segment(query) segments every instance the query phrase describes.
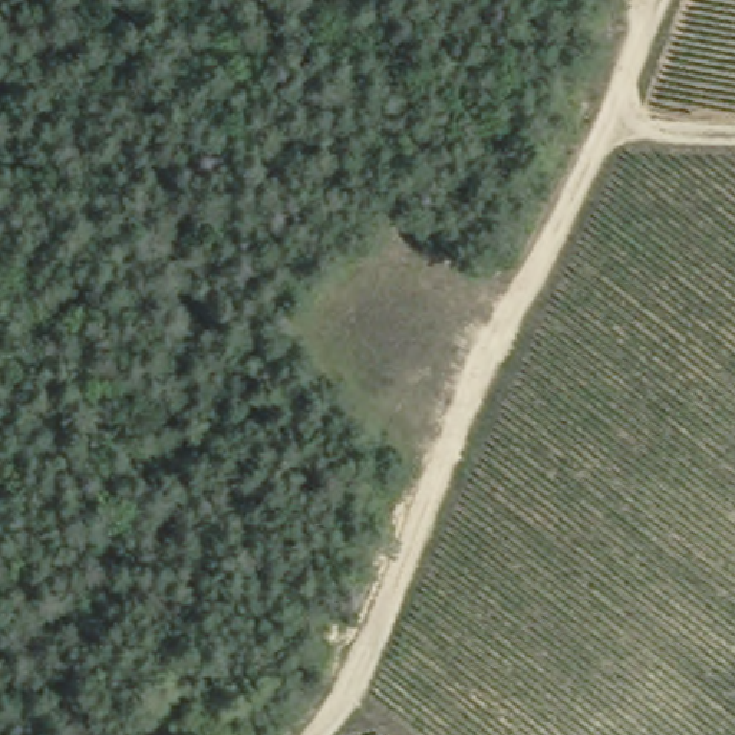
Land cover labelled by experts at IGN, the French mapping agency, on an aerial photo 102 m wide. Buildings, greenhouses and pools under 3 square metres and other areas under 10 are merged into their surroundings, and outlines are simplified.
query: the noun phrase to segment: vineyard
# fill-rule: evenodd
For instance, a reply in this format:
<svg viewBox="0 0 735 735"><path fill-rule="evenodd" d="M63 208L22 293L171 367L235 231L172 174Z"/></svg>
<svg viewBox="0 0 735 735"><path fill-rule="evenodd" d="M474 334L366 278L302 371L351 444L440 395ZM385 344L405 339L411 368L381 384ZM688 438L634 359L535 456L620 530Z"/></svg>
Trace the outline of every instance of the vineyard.
<svg viewBox="0 0 735 735"><path fill-rule="evenodd" d="M376 672L368 683L368 692L336 735L735 735L735 146L632 141L606 155L543 290L525 310L517 339L502 365L497 368L485 390L482 408L471 422L462 457L451 474L431 537L419 554L413 580L405 591L402 609L396 614L388 646L376 663Z"/></svg>
<svg viewBox="0 0 735 735"><path fill-rule="evenodd" d="M669 0L637 78L640 103L652 109L655 121L686 121L692 109L735 112L735 0Z"/></svg>

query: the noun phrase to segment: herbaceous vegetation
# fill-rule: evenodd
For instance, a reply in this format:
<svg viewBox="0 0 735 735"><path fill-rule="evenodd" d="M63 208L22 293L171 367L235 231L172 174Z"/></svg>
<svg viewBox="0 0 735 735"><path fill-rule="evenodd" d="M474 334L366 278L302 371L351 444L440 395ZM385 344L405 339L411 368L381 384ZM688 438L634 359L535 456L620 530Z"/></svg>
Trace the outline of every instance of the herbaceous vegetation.
<svg viewBox="0 0 735 735"><path fill-rule="evenodd" d="M468 278L459 270L454 270L451 261L431 261L428 256L413 253L402 241L402 235L396 235L373 258L362 261L350 278L339 276L336 287L316 299L316 307L310 313L310 345L304 347L304 353L313 356L316 368L322 368L322 376L330 379L330 390L345 393L339 408L353 419L353 445L359 451L390 445L402 454L402 459L413 459L422 468L422 459L439 436L442 419L454 402L457 373L462 370L465 356L474 347L474 333L491 319L500 296L508 290L514 276L508 270L497 270L491 276Z"/></svg>

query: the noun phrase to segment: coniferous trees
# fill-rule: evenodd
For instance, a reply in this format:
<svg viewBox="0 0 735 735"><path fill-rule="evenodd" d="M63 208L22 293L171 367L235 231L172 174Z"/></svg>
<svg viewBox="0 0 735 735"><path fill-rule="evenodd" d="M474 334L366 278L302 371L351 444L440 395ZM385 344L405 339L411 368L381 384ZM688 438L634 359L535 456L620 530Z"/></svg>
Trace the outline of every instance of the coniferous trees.
<svg viewBox="0 0 735 735"><path fill-rule="evenodd" d="M413 459L402 459L402 454L390 445L359 451L353 445L353 419L339 408L345 393L330 390L330 379L322 376L322 368L316 368L313 356L304 353L304 347L310 345L310 313L316 307L316 299L336 287L339 276L350 278L362 261L373 258L396 235L402 235L402 241L413 253L428 256L431 261L451 261L454 270L459 270L468 278L491 276L497 270L508 270L514 276L525 261L528 250L534 247L534 238L546 227L557 192L589 129L600 115L600 103L606 98L620 46L629 34L626 0L0 0L0 735L310 735L307 726L313 715L336 686L333 678L327 678L333 643L327 640L327 632L333 626L350 629L359 623L353 600L362 600L370 591L370 583L376 580L376 554L385 554L390 560L396 557L399 540L393 531L393 508L419 482L422 468ZM502 80L505 52L517 52L520 69L534 86L525 89L525 106L514 106L505 135L479 138L474 132L477 121L482 121L485 112L497 112L494 92Z"/></svg>

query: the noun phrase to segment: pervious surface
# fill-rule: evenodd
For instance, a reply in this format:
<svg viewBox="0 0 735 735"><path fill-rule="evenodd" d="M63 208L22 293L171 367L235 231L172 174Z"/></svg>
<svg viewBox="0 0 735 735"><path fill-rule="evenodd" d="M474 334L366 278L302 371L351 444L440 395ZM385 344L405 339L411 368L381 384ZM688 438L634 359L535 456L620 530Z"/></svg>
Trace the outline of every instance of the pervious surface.
<svg viewBox="0 0 735 735"><path fill-rule="evenodd" d="M405 591L413 580L419 554L431 537L451 474L462 457L471 422L482 408L485 390L497 368L502 365L517 339L525 310L543 290L606 155L632 141L735 146L735 112L692 109L686 121L655 121L652 109L640 103L637 78L669 0L626 0L629 34L620 46L606 98L600 103L600 115L589 129L557 192L546 227L534 238L534 247L528 250L525 261L514 276L508 290L500 296L491 319L474 333L474 347L465 356L462 370L457 373L454 402L442 419L439 436L422 459L422 468L419 482L393 508L393 531L399 540L396 557L390 560L385 554L376 554L376 580L370 583L370 591L362 600L353 600L359 623L350 629L333 626L327 632L327 640L333 643L327 678L333 678L336 686L313 715L307 726L310 735L336 735L368 692L368 683L376 672L376 663L388 646L396 614L402 609Z"/></svg>

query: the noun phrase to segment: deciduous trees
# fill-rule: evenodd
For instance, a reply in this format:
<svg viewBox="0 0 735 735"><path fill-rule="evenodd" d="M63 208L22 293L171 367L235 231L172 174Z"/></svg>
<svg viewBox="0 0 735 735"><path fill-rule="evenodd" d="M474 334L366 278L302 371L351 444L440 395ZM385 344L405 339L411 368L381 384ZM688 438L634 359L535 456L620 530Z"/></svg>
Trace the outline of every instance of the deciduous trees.
<svg viewBox="0 0 735 735"><path fill-rule="evenodd" d="M477 121L474 132L479 138L505 135L514 106L525 106L525 89L534 86L520 69L517 52L505 52L502 80L494 92L497 112L485 112L482 121Z"/></svg>

